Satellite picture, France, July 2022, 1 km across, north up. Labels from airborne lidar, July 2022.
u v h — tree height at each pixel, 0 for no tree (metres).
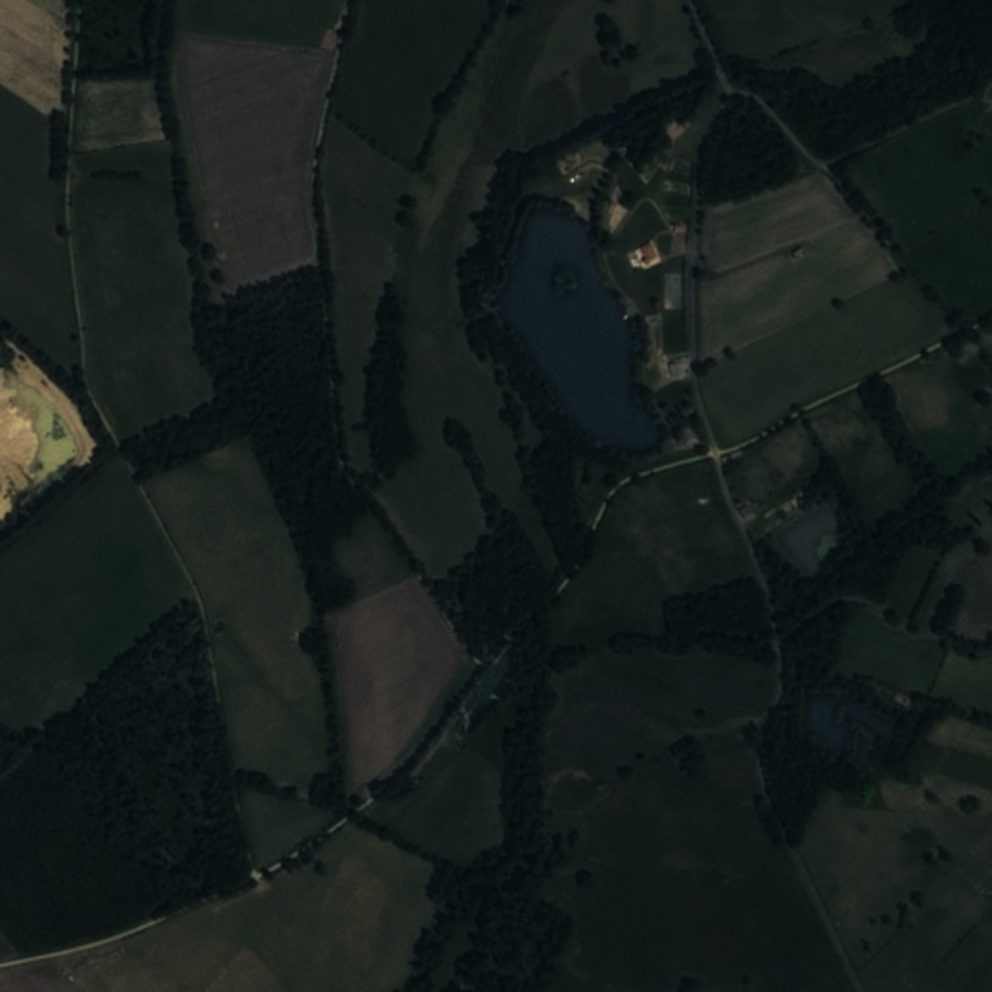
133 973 0
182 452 7
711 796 0
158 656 19
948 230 0
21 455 0
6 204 0
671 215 0
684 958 0
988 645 9
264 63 0
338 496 8
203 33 0
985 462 20
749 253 0
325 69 0
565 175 0
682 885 0
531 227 0
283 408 15
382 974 0
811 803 15
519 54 0
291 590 0
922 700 18
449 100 16
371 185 0
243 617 0
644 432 0
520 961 31
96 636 0
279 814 0
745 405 0
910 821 0
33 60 0
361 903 0
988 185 0
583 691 0
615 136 28
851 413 0
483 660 10
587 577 0
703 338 0
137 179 7
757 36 0
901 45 0
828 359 0
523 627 21
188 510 0
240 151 0
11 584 0
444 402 0
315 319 11
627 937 0
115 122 0
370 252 0
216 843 24
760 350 0
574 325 0
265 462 8
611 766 0
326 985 0
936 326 0
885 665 0
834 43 0
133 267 0
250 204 0
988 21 18
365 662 0
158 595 0
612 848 0
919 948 0
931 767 0
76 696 0
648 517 0
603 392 0
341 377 19
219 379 12
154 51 19
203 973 0
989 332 10
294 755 0
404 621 0
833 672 12
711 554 0
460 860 0
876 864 0
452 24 0
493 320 16
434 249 0
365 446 0
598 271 0
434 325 0
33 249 0
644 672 0
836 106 15
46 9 0
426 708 0
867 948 17
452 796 0
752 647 17
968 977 0
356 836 0
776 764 18
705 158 17
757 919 0
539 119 0
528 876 24
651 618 0
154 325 0
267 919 0
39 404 0
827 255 0
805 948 0
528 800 19
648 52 0
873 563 20
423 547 0
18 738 8
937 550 11
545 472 18
